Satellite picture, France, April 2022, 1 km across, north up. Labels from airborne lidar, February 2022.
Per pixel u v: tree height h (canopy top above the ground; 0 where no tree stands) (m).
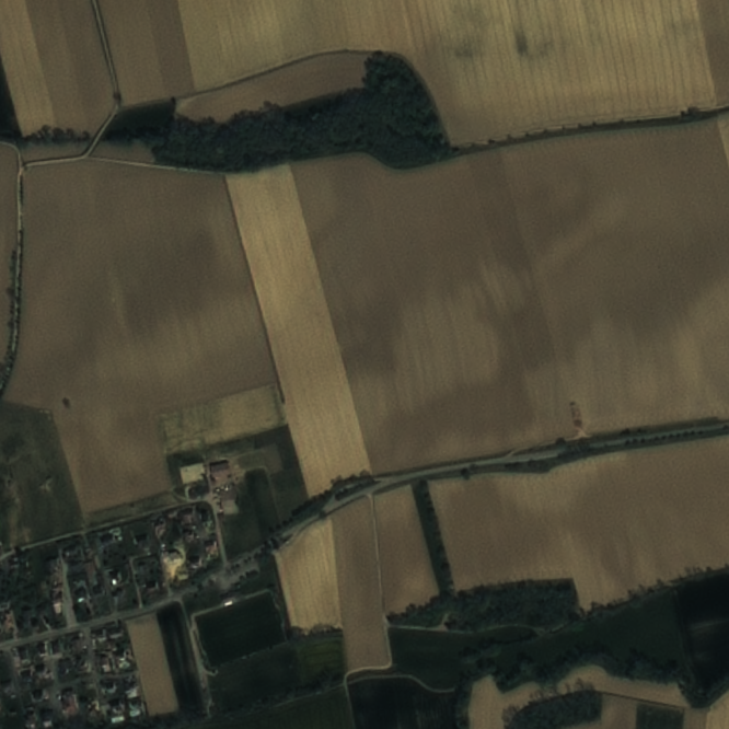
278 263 0
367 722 0
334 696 0
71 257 0
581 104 0
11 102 0
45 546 0
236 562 0
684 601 0
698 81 0
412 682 0
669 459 0
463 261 0
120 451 0
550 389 0
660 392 0
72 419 0
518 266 0
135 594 0
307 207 0
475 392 0
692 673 0
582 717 17
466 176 0
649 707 0
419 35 0
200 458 0
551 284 0
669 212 0
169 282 0
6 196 0
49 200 0
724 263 0
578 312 0
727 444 0
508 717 0
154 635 0
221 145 26
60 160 0
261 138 23
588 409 0
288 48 0
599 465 0
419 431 0
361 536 0
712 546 0
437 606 15
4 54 0
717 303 0
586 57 0
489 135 0
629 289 0
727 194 0
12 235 0
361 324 0
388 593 0
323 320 0
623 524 0
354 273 0
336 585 0
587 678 0
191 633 0
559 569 0
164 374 0
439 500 0
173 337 0
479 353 0
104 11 0
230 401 0
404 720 0
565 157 0
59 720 0
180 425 0
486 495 0
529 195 0
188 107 0
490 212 0
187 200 0
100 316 0
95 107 0
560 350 0
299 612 0
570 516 0
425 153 25
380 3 0
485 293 0
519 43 0
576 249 0
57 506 0
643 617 0
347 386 0
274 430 0
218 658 0
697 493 0
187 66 0
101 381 0
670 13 0
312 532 0
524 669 19
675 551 0
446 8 0
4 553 0
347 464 0
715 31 0
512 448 0
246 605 0
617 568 0
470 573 0
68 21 0
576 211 0
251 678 0
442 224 0
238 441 0
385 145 25
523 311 0
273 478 0
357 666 0
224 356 0
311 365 0
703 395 0
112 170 0
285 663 0
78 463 0
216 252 0
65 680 0
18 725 0
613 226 0
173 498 0
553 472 0
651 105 0
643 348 0
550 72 0
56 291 0
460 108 0
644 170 0
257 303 0
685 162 0
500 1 0
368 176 0
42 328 0
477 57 0
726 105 0
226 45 0
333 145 24
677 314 0
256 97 0
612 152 0
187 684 0
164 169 0
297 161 0
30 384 0
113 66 0
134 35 0
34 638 0
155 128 0
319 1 0
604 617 18
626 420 0
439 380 0
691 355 0
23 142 18
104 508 0
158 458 0
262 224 0
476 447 0
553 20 0
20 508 0
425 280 0
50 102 0
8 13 0
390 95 25
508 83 0
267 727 0
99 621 0
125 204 0
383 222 0
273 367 0
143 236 0
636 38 0
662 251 0
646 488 0
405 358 0
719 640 0
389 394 0
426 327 0
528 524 0
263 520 0
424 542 0
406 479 0
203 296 0
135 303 0
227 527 0
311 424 0
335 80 0
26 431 0
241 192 0
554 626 16
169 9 0
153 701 0
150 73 0
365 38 0
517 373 0
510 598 16
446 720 0
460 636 0
